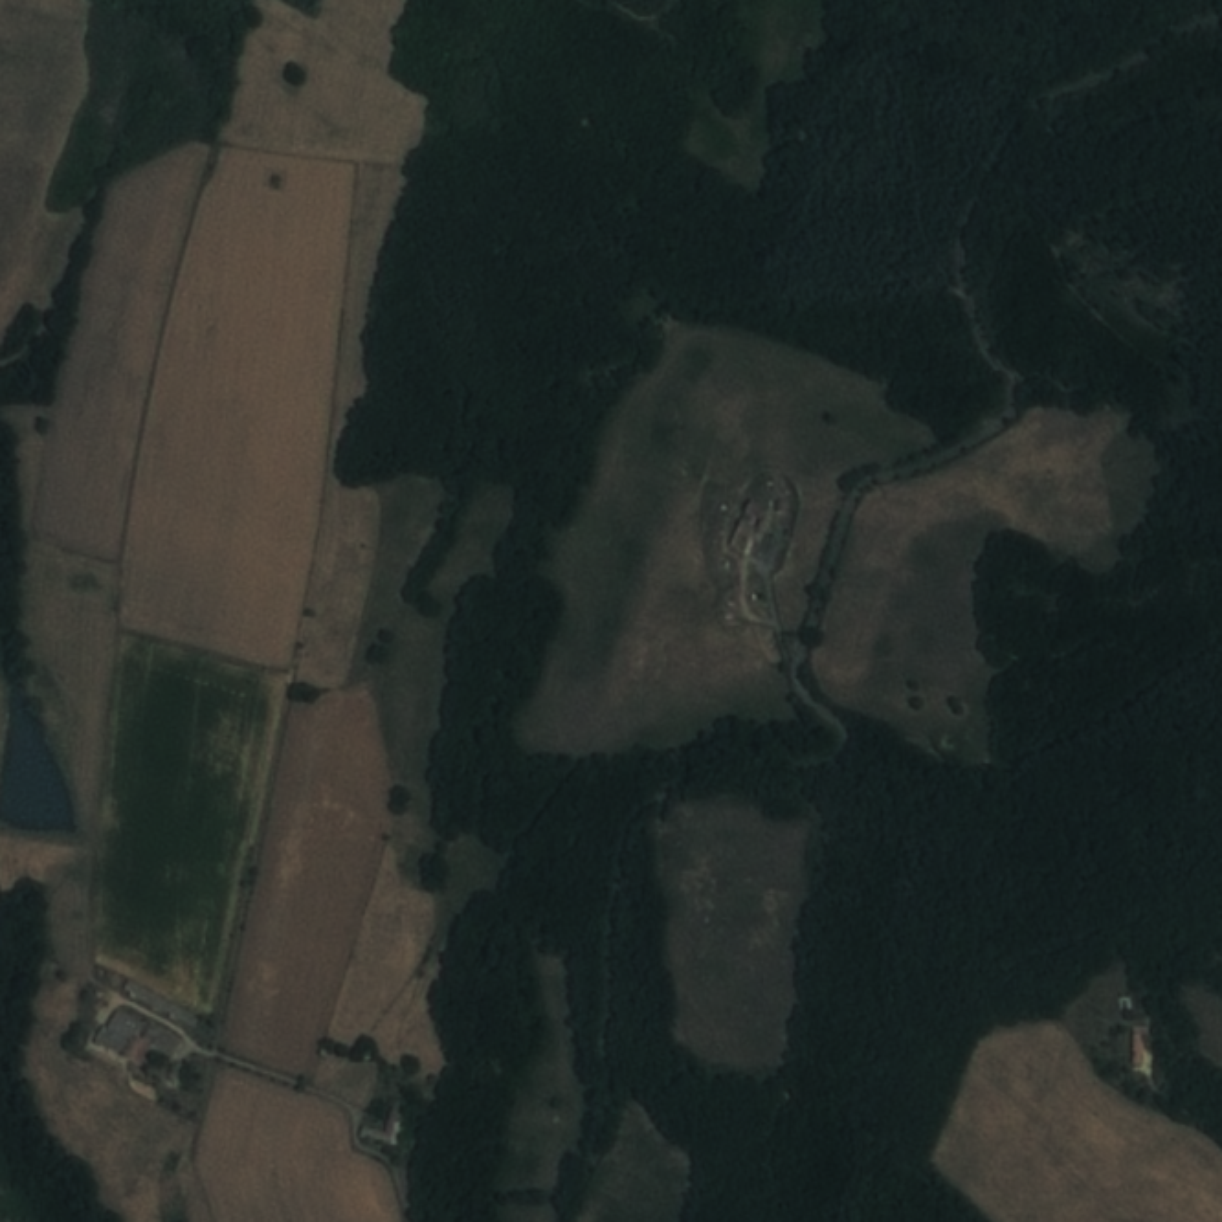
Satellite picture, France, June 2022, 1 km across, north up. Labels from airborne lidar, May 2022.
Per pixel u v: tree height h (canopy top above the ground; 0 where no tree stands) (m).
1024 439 0
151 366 0
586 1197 14
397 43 11
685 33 16
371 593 0
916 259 15
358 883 0
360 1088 0
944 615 0
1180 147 22
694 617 0
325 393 0
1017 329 7
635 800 14
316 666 0
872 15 14
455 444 23
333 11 0
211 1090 0
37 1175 11
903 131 15
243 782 0
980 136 17
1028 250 7
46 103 0
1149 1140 0
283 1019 0
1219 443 16
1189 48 11
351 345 0
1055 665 9
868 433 0
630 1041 10
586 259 11
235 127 0
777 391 0
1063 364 8
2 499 31
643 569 0
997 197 15
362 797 0
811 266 22
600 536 0
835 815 8
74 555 0
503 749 21
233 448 0
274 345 0
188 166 0
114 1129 0
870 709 0
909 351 10
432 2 13
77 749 0
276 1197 0
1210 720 19
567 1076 0
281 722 0
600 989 17
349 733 0
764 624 0
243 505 0
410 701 0
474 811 24
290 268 0
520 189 12
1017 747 8
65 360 8
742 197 25
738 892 0
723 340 0
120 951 0
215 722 0
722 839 0
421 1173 16
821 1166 11
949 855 13
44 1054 0
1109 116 17
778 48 0
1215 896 16
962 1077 8
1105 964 14
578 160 17
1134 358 8
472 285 14
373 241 0
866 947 9
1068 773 26
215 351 0
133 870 0
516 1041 23
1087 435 0
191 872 0
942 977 14
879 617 0
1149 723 19
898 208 10
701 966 0
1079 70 20
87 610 0
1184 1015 9
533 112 14
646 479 0
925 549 0
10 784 0
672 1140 17
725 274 27
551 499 25
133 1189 0
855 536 0
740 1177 15
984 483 0
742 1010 0
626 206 27
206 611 0
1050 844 22
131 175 0
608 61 14
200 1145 0
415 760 0
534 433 22
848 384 0
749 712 0
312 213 0
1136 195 19
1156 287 21
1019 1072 0
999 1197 0
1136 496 0
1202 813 16
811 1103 9
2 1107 19
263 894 0
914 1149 14
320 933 0
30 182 0
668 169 21
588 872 17
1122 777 25
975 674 0
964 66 14
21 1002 26
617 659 0
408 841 0
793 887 0
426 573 16
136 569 0
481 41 6
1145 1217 0
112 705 0
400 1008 0
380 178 0
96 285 0
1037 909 15
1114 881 18
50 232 0
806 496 0
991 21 13
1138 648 6
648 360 23
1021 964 9
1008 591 8
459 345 13
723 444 0
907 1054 14
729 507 0
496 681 25
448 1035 15
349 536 0
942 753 7
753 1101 18
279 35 0
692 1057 9
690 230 23
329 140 0
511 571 19
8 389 6
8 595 22
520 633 25
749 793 16
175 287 0
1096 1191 0
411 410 17
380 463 7
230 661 0
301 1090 10
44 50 0
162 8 12
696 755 25
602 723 0
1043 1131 0
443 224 12
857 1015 8
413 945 0
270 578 0
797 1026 14
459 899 0
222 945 0
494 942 22
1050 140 18
